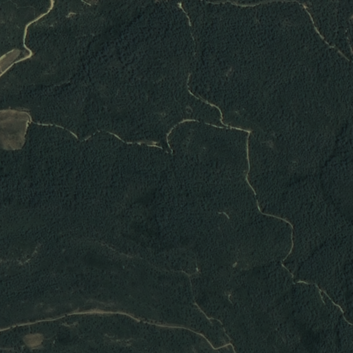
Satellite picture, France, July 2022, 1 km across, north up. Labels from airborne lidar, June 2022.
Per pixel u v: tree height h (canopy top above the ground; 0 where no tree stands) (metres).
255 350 5
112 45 17
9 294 7
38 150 9
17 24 7
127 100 10
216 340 6
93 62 13
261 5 11
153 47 7
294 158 15
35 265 6
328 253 11
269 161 10
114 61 16
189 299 10
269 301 12
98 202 8
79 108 7
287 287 12
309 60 12
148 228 9
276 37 7
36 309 0
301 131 9
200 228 6
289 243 8
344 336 9
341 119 8
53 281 9
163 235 8
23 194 11
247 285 8
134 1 8
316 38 14
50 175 13
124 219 9
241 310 8
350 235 15
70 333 7
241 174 9
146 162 11
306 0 12
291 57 12
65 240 7
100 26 10
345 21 13
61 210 9
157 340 6
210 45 13
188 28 12
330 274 12
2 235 7
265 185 11
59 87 12
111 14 15
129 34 14
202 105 11
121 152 13
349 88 12
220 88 13
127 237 8
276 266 15
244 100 11
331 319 12
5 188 11
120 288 7
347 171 10
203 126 7
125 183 13
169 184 13
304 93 12
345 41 12
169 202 7
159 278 6
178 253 6
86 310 0
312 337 6
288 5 10
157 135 11
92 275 8
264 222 17
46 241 12
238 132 12
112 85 7
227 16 9
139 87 14
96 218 8
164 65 12
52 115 9
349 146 15
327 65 13
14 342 7
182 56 14
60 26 12
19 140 0
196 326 9
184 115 9
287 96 10
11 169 8
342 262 16
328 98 10
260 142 12
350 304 12
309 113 11
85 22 8
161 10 8
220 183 7
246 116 10
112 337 0
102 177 14
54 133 9
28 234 9
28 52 0
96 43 12
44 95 13
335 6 14
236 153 9
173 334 7
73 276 9
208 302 7
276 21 11
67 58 11
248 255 7
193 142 8
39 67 7
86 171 10
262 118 10
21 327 9
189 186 11
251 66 11
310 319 12
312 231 11
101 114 7
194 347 0
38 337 0
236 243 10
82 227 8
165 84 10
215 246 10
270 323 6
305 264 13
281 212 13
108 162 8
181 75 12
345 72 14
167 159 12
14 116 0
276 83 13
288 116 15
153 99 7
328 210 11
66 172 11
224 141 13
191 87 13
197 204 11
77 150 10
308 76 10
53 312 0
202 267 8
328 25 18
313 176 15
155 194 14
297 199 12
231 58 11
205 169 13
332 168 13
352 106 11
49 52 8
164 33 14
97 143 9
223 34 9
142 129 7
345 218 13
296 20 9
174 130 10
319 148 16
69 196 14
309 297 9
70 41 8
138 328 7
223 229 11
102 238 7
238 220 13
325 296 12
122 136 9
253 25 11
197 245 7
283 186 10
